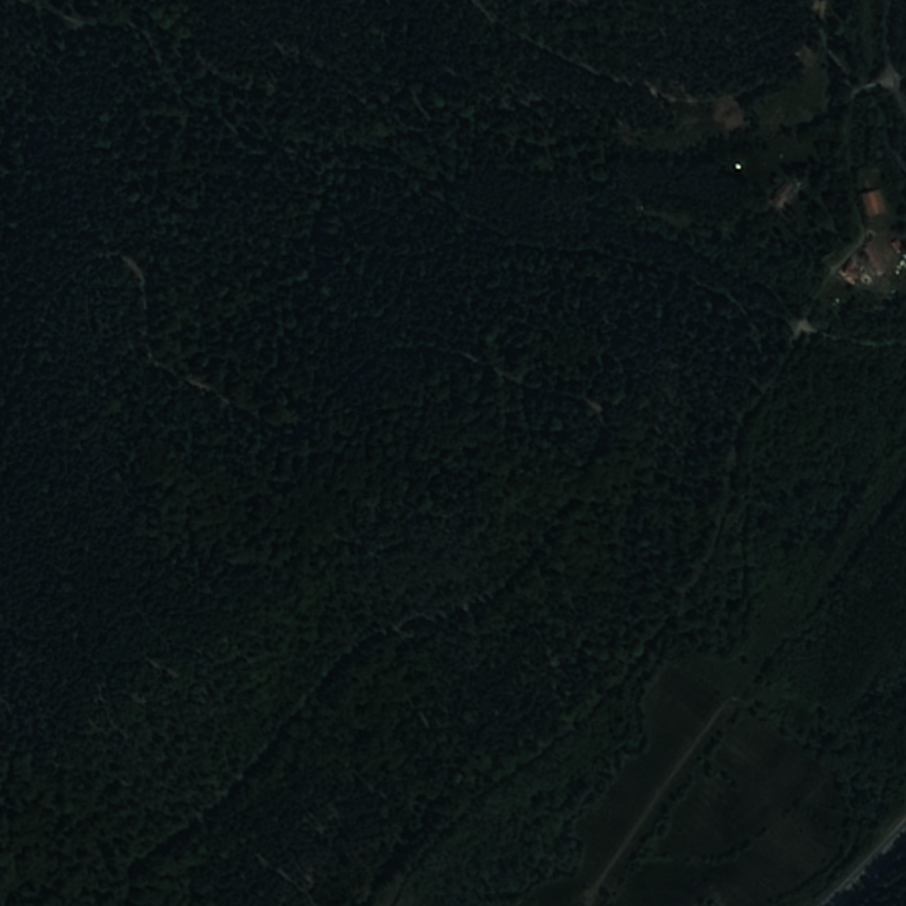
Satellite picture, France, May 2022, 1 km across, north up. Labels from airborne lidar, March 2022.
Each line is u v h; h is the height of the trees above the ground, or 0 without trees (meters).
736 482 12
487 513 14
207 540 19
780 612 0
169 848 30
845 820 0
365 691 15
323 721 21
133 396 23
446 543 24
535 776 26
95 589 21
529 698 31
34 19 31
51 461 24
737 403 30
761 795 0
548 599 25
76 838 23
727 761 0
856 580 9
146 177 9
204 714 11
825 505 18
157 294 23
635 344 30
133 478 23
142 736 29
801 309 26
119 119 12
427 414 25
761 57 21
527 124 16
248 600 17
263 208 12
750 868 0
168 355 27
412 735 30
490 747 28
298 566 26
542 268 19
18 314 31
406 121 37
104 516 26
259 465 30
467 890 26
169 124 16
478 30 15
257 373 18
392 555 23
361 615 25
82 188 22
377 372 21
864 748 21
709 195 31
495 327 18
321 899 16
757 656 0
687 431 16
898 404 12
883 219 0
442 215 21
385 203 34
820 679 15
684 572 26
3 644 28
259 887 33
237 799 24
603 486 33
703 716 0
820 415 11
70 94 15
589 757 0
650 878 0
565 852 27
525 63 27
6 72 34
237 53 30
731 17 30
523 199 24
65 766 13
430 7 21
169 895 35
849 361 7
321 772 28
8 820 33
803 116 0
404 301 26
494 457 28
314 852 30
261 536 29
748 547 17
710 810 0
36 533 28
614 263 20
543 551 32
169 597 15
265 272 17
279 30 29
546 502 23
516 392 18
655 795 0
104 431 28
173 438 17
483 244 32
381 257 28
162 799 10
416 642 27
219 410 20
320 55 31
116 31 19
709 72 27
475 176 24
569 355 22
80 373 23
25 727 28
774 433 6
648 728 0
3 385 25
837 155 23
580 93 32
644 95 28
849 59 37
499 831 19
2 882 33
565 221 24
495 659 20
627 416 30
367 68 30
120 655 10
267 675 7
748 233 26
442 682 21
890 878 26
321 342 26
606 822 0
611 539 23
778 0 29
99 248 26
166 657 17
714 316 30
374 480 29
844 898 0
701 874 0
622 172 29
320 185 15
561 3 15
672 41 23
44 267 29
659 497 17
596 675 32
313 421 28
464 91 26
